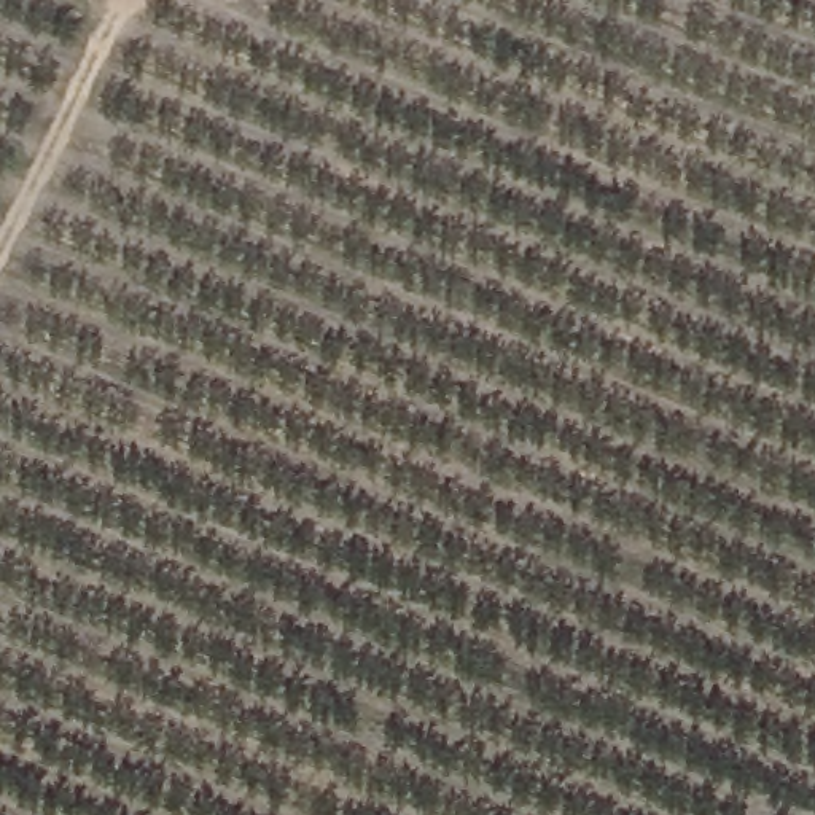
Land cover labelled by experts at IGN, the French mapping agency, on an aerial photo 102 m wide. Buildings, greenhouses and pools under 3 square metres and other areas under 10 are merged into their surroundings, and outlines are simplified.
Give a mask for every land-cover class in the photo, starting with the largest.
<instances>
[{"label":"deciduous trees","instance_id":"1","mask_svg":"<svg viewBox=\"0 0 815 815\"><path fill-rule=\"evenodd\" d=\"M0 16L22 22L32 32L57 35L60 41H86L92 32L70 13L67 3L60 6L51 0H0ZM156 25L172 32H191L201 45H213L220 51H248L255 67H267L271 45L261 41L248 35L242 22L194 13L188 6H178L175 0H150L146 10ZM271 25L318 35L331 51H350L357 60H369L376 67L392 64L398 57L401 41H382L366 32L363 22L328 16L312 0H271ZM376 16H382L385 6H395L398 22L404 25L408 16H420L427 35L436 32V10L417 0H366ZM630 0H490L487 6L497 10L503 19L541 22L551 35H560L576 48L599 51L608 60L634 64L656 83L681 86L688 76H694L697 96L719 83V73L726 67L713 64L700 51L669 48L659 35L637 38L627 25L618 22V13ZM742 22L729 16L716 19L713 6L700 0H697L688 6L684 35L704 38L707 32H716L719 48L732 45ZM777 3H790L793 29L799 22H815V0H761V16L767 19H774ZM446 38H468L474 54L490 57L493 64H519V76L513 83H490L478 70L452 64L433 51L427 83L449 99H462L481 108L503 105L506 121L513 127H525L519 140L506 143L478 121H452L446 111H433L423 99L408 102L404 96H392V89L376 86L366 76H347L344 70L293 57L290 51L280 54L277 70L290 73L293 80H302L306 89H312L315 96L350 102L353 108L376 115L392 127L433 137L436 143L455 150H481L484 162L506 166L513 175L528 178L535 185L557 188V197L551 201H535L519 191L500 188L493 181H484L478 172L465 175L452 159L430 156L427 150L404 153L398 143H369L353 121H334L322 118L318 111H306L290 96L264 99L258 86L245 83L242 73L229 76L226 67L201 64L188 70V64L178 60L169 48H153L143 38H124L111 48L96 86L102 96L105 118L140 124L150 115H159L162 137L181 140L197 150H210L213 156H223L245 169H258L277 181H293L302 191L350 210V223L331 226L315 213L287 204L280 194L271 197L248 185L236 188L232 178H213L201 166L172 159L169 153H159L146 143H131L127 137L111 140V166L137 175L134 191H121L118 185L89 169H70L64 175V178L67 194L89 201L96 210H102L127 229H150L156 236H169L178 248H191L201 255L220 245L223 264L242 267L252 277H267L277 287L296 290L309 299H325V306L344 312L353 322L363 315H376V325H392L395 337L423 341L436 353H452L484 369L487 376H503L513 385L551 392L554 401L579 408L595 430L611 423L621 433L653 436L659 449L684 455L694 452V446H707L710 465L739 468L748 478H761V487L742 497L739 490H729L726 484H716L710 478H697L684 468H669L665 462L640 458L627 446H611L595 430L583 433L573 423H557V414L519 401H503L497 392L481 395L471 382L452 379V372L443 366L439 372H430L427 363L404 357L401 347L372 341L369 334H347L328 328L322 325V318L296 315L290 306L274 302L264 293L252 299L242 293V287L213 280L207 274L201 277L185 264L175 267L162 252L115 245L108 236L92 232L89 220H64V210L51 207L41 210L48 242H60V232H70L73 248L80 255L102 264L115 255L124 261V267L111 277L115 287L105 290L99 280L86 277L83 271H73L70 264H45L41 255L25 252L22 267L29 280L48 283L51 293L76 290L89 309H105L111 322L131 331L162 337L169 344L204 341V357L232 366L242 376H267V369L280 372L283 392L290 385H302L306 395L318 404H328L341 414H360L363 423L388 430L395 439L436 446V452H446L449 458H462L471 468H481V487H465L455 478L436 474L433 468L382 455L372 443L350 439L331 423H309L306 411L280 408L271 398H255V392L248 388L236 392L229 388V382L216 376L178 369V360L172 353L159 357L150 347L127 353L124 376L137 379L143 392L162 395L159 439L169 446L188 443L191 455L223 468L226 474L220 484H213L204 474L185 471L181 465L162 462L146 449H137L134 443H105L102 427H92V436L83 433L80 423L60 430L54 423H45L35 401L22 398L3 404L0 398V430H13L19 436L32 433L35 446L64 455L86 449L89 465H99L102 455H111L115 478L156 490L169 500L166 513H150L124 493H111L108 487H86L76 478H64L57 465L48 468L22 455H0V481H6L10 471H19V487L41 500L64 503L70 513L102 519L105 525L121 528L134 538H146L150 544H172L175 551L201 557L210 570L248 579L239 595L223 599L220 586L191 579V567H181L175 560L146 563L143 554L131 551L127 544H105L92 532L73 528L51 516H35L32 509H22L13 500H0V532L6 538H19L22 544H38L51 551L54 560H70L89 573H108L137 589H150L166 602H178L197 614L191 627H178L172 614L153 618L150 608L105 595V589L76 586L70 579H45L38 576L32 557L0 551V583L13 592H25V614H32L35 605H51L64 614L83 618L89 624H105L115 634H127L124 646L105 656L80 643L67 627H54L45 614L25 621L13 611L10 637H19L22 643L54 653L57 659H70L73 665H86L115 684L137 688L156 704L181 707L226 729L258 735L261 745L296 755L315 767H331L350 786L366 790L363 802L337 799L334 793H325L302 780H290L287 767L248 761L242 745L207 742L204 729H185L153 713H134V704L127 697L96 700L80 678H70V684H51L38 662H10L0 649V815H258L252 809H242L239 802L216 796L210 786L197 790L188 777L166 774L159 764L115 758L105 742H92L80 732L60 729L57 723H38L35 713L45 707L64 710L67 716L92 726H108L118 735L140 745H156V735H166V755L188 764L216 761V777L223 783L242 780L248 790L264 793L267 812L261 815H649L640 809H621L608 796L573 786V770H589L595 777L614 780L621 790L643 793L646 799H656L678 815H815V678L796 675L793 665L783 659H751L745 646H726L691 624L675 627V614H646L643 605L624 602L621 592L624 583H637L662 599L697 608L700 614L723 618L726 624H745L751 637L770 640L774 646H783L790 653H815V360H780L770 353L767 344H748L742 334H723L713 322H694L688 315L672 312L669 302H659L649 309V331H675L678 347L697 350L700 357L729 363L751 376L748 385H716L710 372L697 366H678L675 360L643 350L637 341L608 337L589 322V312L595 309L611 318L630 322L640 312L643 290L605 287L592 277H583L576 264L541 258L532 248L509 245L500 236L481 232L478 223H462V216H436L430 210L414 207L408 197H388L382 188H366L344 175H334L328 166L312 162L302 153L290 156L283 153V146H290L293 137L318 143L322 137H334L347 162H363L372 169L376 159H385V175L411 178L427 194L462 197L468 207L487 201L490 216H500V223H513L525 232L563 236L567 245L589 255L592 261L614 264V271L627 274H643L656 283H669L672 290L697 283L700 306H719L729 315H748L755 328H767L777 331L783 341L815 347V255L802 248L770 245L755 229L758 223H767L774 229L812 232L815 239V213H809L805 197L793 201L780 188L770 191L758 181L735 178L713 162H700L694 153L688 156V191H694L697 197H710L704 213H688L678 201H669L665 207L653 204L637 194V185L630 181L605 185L589 169L576 166L570 156H557L538 146V134L548 115L557 118L563 143L583 146L608 166H630L662 181H675V153L653 137H643L640 143L621 140L618 127L595 124L576 105H551L538 99L528 86L532 76H541L557 86H563V80H576L579 86H602L605 99L627 102L630 118L656 121L665 131H678L684 140L694 131H707V143L713 150H755V166L783 172L786 178L809 175V185L815 188V166L802 159L799 146L783 153L777 150V137H758L748 131L732 134L719 127L713 118L700 121L697 111L684 102L649 99L643 89L634 92L618 73H599L595 67L579 60L570 64L557 54H548L541 41H522L490 25L462 22L455 6H449L446 16ZM143 73L166 80L169 86H178L185 92L207 96L213 105H223L239 118L280 131L283 137L280 143L248 140L197 108L188 111L169 99H143L137 92ZM153 169H162L166 188H188V194L201 204H210L216 210L239 207L242 220L264 223L274 232L280 229V223H290L293 239L318 236L322 248L344 242L347 264H363L376 277L401 280L411 293L439 296L455 309L484 312L519 334L513 344H500L471 325L452 318H423L414 312V306H404L388 293L376 296L366 293L363 283H341L334 274L328 277L309 261L290 264L287 252H274V245L252 242L239 229L223 232L210 216L204 223H194L181 207L175 210L162 201L143 197L146 175ZM723 207L748 216V229L742 239H729L716 223V213ZM621 220L646 223L662 236L691 242L697 252L739 258L742 274L732 277L716 267L669 258L662 248H643L640 242L618 236ZM376 223H385L398 232H411L414 239L439 236L446 252H455L458 242H468V252H490L497 271H509L532 287L548 290L557 283H570V299L563 302V309L554 312L548 306H532L522 296L506 293L500 287L478 283L465 271L436 264L433 258H423L417 252L382 248L369 239ZM264 322L277 325V337L296 344L318 337V369H309L302 360H290L271 347H252ZM341 350L353 353L357 369L376 366L385 385H395V372L401 369L408 376L411 392L427 395L439 404L443 420L411 414L401 401H379L360 392V382L334 379ZM223 411L232 423L287 430L290 443H309L318 455L366 468L376 478H385L392 487H401L420 500H433L455 516H468L471 522H493L503 535H516V548H484L465 541L462 535L446 532L430 516L414 519L411 513L395 509L360 487H344L337 478H322L315 468L296 465L280 452L264 449L258 439L242 443L213 433V423ZM516 439L557 443L570 455H583L595 468L614 471L618 478L637 484L630 493L605 490L595 481L563 474L560 465H532L525 455L509 452ZM248 478H261V484L280 497L312 503L331 516H344L350 525H357V513H366L369 528L388 532L401 544H414V557L408 563L392 560L379 548H369L363 538L315 532L309 519H293L283 509H261L258 497L245 490ZM497 484L525 487L557 503H570L573 509H579L583 500H592L595 519L624 525L627 535L649 538L653 544H662L669 551L691 548L694 560L713 563L729 576H745L780 599L799 602L812 611V621L796 624L783 614H774L767 605L751 602L748 595L723 592L719 583L697 579L688 570L669 567L665 560L646 563L640 557H627L608 538H592L589 528L567 525L563 519L538 513L535 506L516 513L509 500L490 497ZM458 570H471L484 579H500L506 586H522V592L516 602H497V595L478 592L474 602L465 595L468 586L455 583ZM261 589H274V595L299 602V608L306 611H331L337 621L363 630L366 643L353 649L350 640L331 637L322 624L299 627L290 614L271 611L264 602H255ZM458 618H471L478 627L509 621V634L516 643H522L528 653H548L567 665L595 672L599 688L576 691L548 669H519L509 659H503L493 643L455 634L452 627ZM137 640H150L162 653H172L175 643H185L188 659L207 656L210 669L229 675L232 681L229 688L204 681L181 684L178 669L159 672V659H140ZM484 681L522 688L532 700L528 713L513 716L509 704L484 697ZM643 694L681 707L691 716H704L713 726H732V732L729 739L707 742L700 729H681V723H665L649 710H640L637 704ZM758 54H767V70H777L783 76L805 80L809 73H815V48L796 51L790 48V41L767 38L758 25L745 32L742 48V57L751 64L758 60ZM0 70L48 89L57 80V60L51 57L48 45H41L38 64L25 60V41L0 38ZM755 118H761L764 105H774L777 124H786L815 143V105L793 99L786 86L777 92L770 80L742 73H729L723 102ZM0 111L10 115L6 127L25 131L35 108L22 96H13V102H0ZM32 159L13 143L0 140V172L25 175ZM51 331V347H60L64 337H76V357H83L86 363L99 360L102 334L96 325H83L76 315H60L45 306H29V337ZM0 366H6V376L13 382H29L32 388H41L54 376V363L32 360L22 350L13 353L0 344ZM73 395H83L86 411L108 408V420L115 427L137 423V404L131 388L64 369L57 404H70Z\"/></svg>","mask_w":815,"mask_h":815},{"label":"plowed land","instance_id":"2","mask_svg":"<svg viewBox=\"0 0 815 815\"><path fill-rule=\"evenodd\" d=\"M60 6L67 3L70 13L92 32L105 13V0H51ZM328 16L363 22L366 32L382 41H401L398 57L392 64L376 67L369 60H357L350 51H331L318 35L271 25L261 41L271 45L267 67H255L248 51H220L213 45H201L191 32H172L156 25L146 10L131 19L124 38H143L153 48H169L178 60L188 64V70L201 64L226 67L229 76L242 73L245 83L258 86L264 99L290 96L306 111H318L322 118L334 121H353L369 143H398L404 153L427 150L430 156L452 159L465 175L478 172L484 181H493L500 188L519 191L535 201H551L557 197V188L535 185L528 178L513 175L506 166L484 162L481 150H455L436 143L433 137L392 127L376 115L353 108L350 102L315 96L312 89H306L302 80H293L290 73L277 70L280 54L290 51L293 57L344 70L347 76H366L376 86L392 89V96H404L408 102L423 99L433 111H446L452 121H478L506 143L519 140L525 127H513L506 121L503 105L481 108L462 99H449L427 83L433 51L452 64L478 70L490 83H513L519 76V64H493L490 57L474 54L468 38H446V16L449 6H455L462 22L490 25L522 41H541L548 54H557L570 64L579 60L595 67L599 73H618L634 92L643 89L649 99L684 102L697 111L700 121L713 118L719 127L732 134L748 131L758 137H777V150L783 153L799 146L802 159L815 166V143L786 124H777L774 105H764L761 118H755L723 102L729 73H742L770 80L777 92L786 86L793 99L815 105V73H809L805 80L783 76L777 70H767V54H758V60L751 64L742 57V48L745 32L758 25L767 38L790 41V48L796 51L815 48V22H799L793 29L790 3H777L774 19H767L761 16V0H700L713 6L716 19L729 16L742 22L732 45L719 48L716 32H707L704 38L684 35L688 6L697 0H630L618 13V22L627 25L637 38L659 35L669 48L700 51L713 64L726 67L719 73V83L697 96L694 76H688L681 86L656 83L634 64L608 60L599 51L576 48L560 35H551L541 22L503 19L497 10L487 6L490 0H417L436 10V32L427 35L420 16H408L404 25L398 22L395 6H385L382 16H376L366 0H312ZM0 38L25 41V60L38 64L41 45H48L51 57L57 60V80L48 89L0 70V102H13V96H22L35 108L25 131L6 127L10 115L0 111V140L13 143L32 159L54 121V111L67 92L70 76L80 67L86 41H60L57 35L32 32L22 22L0 16ZM137 92L143 99H169L188 111L197 108L248 140L280 143L283 137L280 131L239 118L223 105H213L207 96L185 92L178 86H169L166 80L143 73ZM538 99L551 105H576L595 124L618 127L621 140L640 143L643 137H653L675 153V181H662L630 166H608L583 146L563 143L557 118L548 115L538 134V146L557 156H570L576 166L589 169L605 185L630 181L637 185V194L653 204L665 207L669 201H678L688 213H704L710 197H697L694 191H688V156L694 153L700 162H713L735 178L758 181L770 191L780 188L793 201L805 197L809 213H815V188L809 185V175L786 178L783 172L755 166V150H713L707 143V131H694L684 140L678 131H665L656 121L630 118L627 102L605 99L602 86H579L576 80H563V86H557L541 76H532L528 86ZM127 137L131 143H146L159 153H169L172 159L201 166L213 178H232L236 188L248 185L271 197L280 194L287 204L315 213L331 226L350 223V210L302 191L293 181H277L258 169H245L223 156H213L210 150H197L181 140L162 137L159 115H150L140 124L105 118L102 96L96 86L64 150V175L70 169H89L118 185L121 191H134L137 175L111 166V140ZM283 153L290 156L302 153L312 162L328 166L334 175H344L366 188H382L388 197H408L414 207L430 210L436 216H462V223H478L481 232L500 236L509 245L532 248L541 258L576 264L583 277H592L605 287L643 290L640 312L630 322L611 318L595 309L589 312V322L608 337L637 341L643 350L675 360L678 366H697L710 372L716 385H748L751 376L729 363L700 357L697 350L678 347L675 331H649V309L659 302H669L672 312L688 315L694 322H713L723 334H742L748 344H767L770 353L780 360H815V347L783 341L777 331L767 328H755L748 315H729L719 306H700L697 283L672 290L669 283H656L643 274H627L614 271V264L592 261L589 255L567 245L563 236L525 232L513 223H500V216H490L487 201L468 207L462 197L427 194L411 178L385 175V159H376L372 169L363 162H347L334 137H322L318 143L293 137L290 146H283ZM143 197L162 201L175 210L181 207L194 223H204L210 216L223 232L239 229L252 242L274 245V252H287L290 264L309 261L328 277L334 274L341 283H363L366 293L376 296L388 293L404 306H414V312L423 318H452L471 325L500 344H513L519 334L484 312L455 309L439 296L411 293L401 280L376 277L363 264H347L344 242L322 248L318 236L293 239L290 223H280V229L274 232L264 223L242 220L239 207L216 210L210 204H201L188 194V188H166L162 169H153L146 175ZM51 207L64 210V220H89L92 232L108 236L115 245L162 252L175 267L185 264L201 277L207 274L213 280L242 287V293L252 299L264 293L274 302L290 306L296 315L322 318V325L328 328L347 334H369L372 341L401 347L404 357L427 363L430 372H439L443 366L452 372V379L471 382L481 395L497 392L503 401H519L557 414V423H573L583 433L595 430L579 408L554 401L551 392L513 385L503 376H487L484 369L452 353H436L423 341L395 337L392 325H376V315H363L353 322L344 312L325 306V299H309L296 290L277 287L267 277H252L242 267L223 264L220 245L201 255L191 248H178L169 236H156L150 229H127L102 210H96L89 201L67 194L64 178L54 175L45 185L41 201L29 216L0 274V344L13 353L22 350L32 360L54 363V376L41 388H32L29 382H13L6 376V366H0V398L3 404L22 398L35 401L45 423H54L60 430L80 423L83 433L92 436V427H102L105 443H134L137 449H146L162 462L181 465L185 471L204 474L213 484H220L226 474L223 468L191 455L188 443L169 446L159 439L162 395L143 392L137 379L124 376L127 353L150 347L159 357L172 353L178 360V369L216 376L229 382V388L236 392L248 388L255 392V398H271L280 408L306 411L309 423H331L350 439L372 443L382 455L433 468L436 474L455 478L465 487H481V468H471L462 458H449L446 452H436V446L395 439L388 430L363 423L360 414H341L328 404H318L306 395L302 385H290L283 392L280 372L267 369V376H242L232 366L204 357V341L169 344L162 337L131 331L111 322L105 309H89L76 290L51 293L48 283L29 280L22 267L25 252L41 255L45 264H70L73 271H83L86 277L99 280L105 290L115 287L111 277L124 267V261L115 255L102 264L80 255L73 248L70 232H60V242H48L41 210ZM29 306H45L60 315H76L83 325H96L102 334L99 360L86 363L83 357H76V337H64L60 347H51V331L29 337ZM64 369L131 388L137 404V423L115 427L108 420V408L86 411L83 395H73L70 404H57ZM716 223L729 239H742L748 229V216L723 207L716 213ZM618 236L640 242L643 248H662L669 258L716 267L732 277L742 274L739 258L697 252L691 242L662 236L646 223L621 220ZM369 239L382 248L417 252L423 258H433L436 264L465 271L478 283L500 287L506 293L522 296L532 306H548L554 312L563 309V302L570 299V283H557L548 290L532 287L509 271H497L490 252H468V242H458L455 252H446L439 236L414 239L411 232H398L385 223H376ZM770 245L802 248L815 255V239L812 232L774 229L767 223H758L755 229ZM252 347H271L290 360H302L309 369H318V337L296 344L277 337V325L264 322ZM334 379L360 382V392L379 401H401L411 414L443 420L439 404L427 395L411 392L408 376L401 369L395 372V385H385L376 366L357 369L353 353L341 350ZM213 433L242 443L258 439L264 449L280 452L296 465L315 468L322 478H337L344 487H360L395 509L411 513L414 519L430 516L446 532L462 535L465 541L484 548H516V535H503L493 522H471L468 516H455L433 500H420L401 487H392L385 478H376L366 468L318 455L309 443H290L287 430L232 423L223 411L213 423ZM611 446H627L640 458L665 462L669 468H684L697 478H710L716 484H726L729 490H739L742 497L761 487V478H748L739 468L710 465L707 446H694V452L684 455L659 449L653 436L621 433L611 423L595 430ZM0 455H22L48 468L57 465L64 478H76L86 487H108L111 493H124L150 513H166L169 500L156 490L115 478L111 455H102L99 465H89L86 449L64 455L35 446L32 433L19 436L13 430H0ZM509 452L525 455L532 465H560L563 474L595 481L605 490L630 493L637 484L618 478L614 471L595 468L583 455H570L557 443L516 439ZM0 500H13L22 509H32L35 516H51L73 528L92 532L105 544H127L131 551L143 554L146 563L175 560L181 567H191V579L220 586L223 599L239 595L248 579L210 570L201 557L175 551L172 544H150L146 538H134L121 528L105 525L102 519L70 513L64 503L41 500L19 487V471H10L6 481H0ZM245 490L258 497L261 509H283L293 519H309L315 532L363 538L369 548H379L392 560L408 563L414 557V544H401L388 532L369 528L366 513H357V525H350L344 516H331L312 503L280 497L261 484V478H248ZM490 497L509 500L516 513L535 506L538 513L563 519L567 525L589 528L592 538H608L627 557H640L646 563L665 560L669 567L688 570L697 579L719 583L723 592L748 595L751 602L767 605L774 614H783L796 624L812 621V611L799 602L780 599L745 576H729L713 563L694 560L691 548L669 551L662 544H653L649 538L627 535L624 525L595 519L592 500H583L579 509H573L570 503H557L525 487L497 484ZM0 551L32 557L38 576L45 579H70L76 586L105 589V595L150 608L153 618L172 614L178 627H191L197 614L178 602H166L150 589H137L108 573H89L70 560H54L51 551L38 544H22L19 538H6L0 532ZM455 583L468 586L465 595L474 602L478 592L497 595V602H516L522 592V586H506L500 579H484L471 570H458ZM13 611L25 621L45 614L54 627H67L80 643L105 656L124 646L127 634H115L105 624H89L83 618L64 614L51 605H35L32 614H25V592H13L0 583V649L10 662H38L51 684H70V678H80L96 700L127 697L134 704V713H153L185 729H204L207 742L242 745L248 761L287 767L290 780H302L325 793H334L337 799L363 802L366 790L350 786L331 767H315L296 755L261 745L258 735L226 729L181 707L156 704L137 688L115 684L86 665H73L70 659H57L54 653L22 643L19 637H10ZM624 602L643 605L646 614H675V627L691 624L726 646H745L751 659H783L793 665L796 675L815 678V653H790L783 646H774L770 640L751 637L745 624H726L723 618L700 614L697 608L662 599L637 583H624L621 592ZM255 602H264L271 611L290 614L299 627L322 624L331 637L350 640L353 649L366 643L363 630L337 621L331 611H306L299 608V602L274 595V589H261ZM455 634L493 643L503 659H509L519 669H548L576 691L599 688L595 672L567 665L548 653H528L522 643H516L509 634V621L478 627L471 618H458L452 627ZM140 659H159V672L178 669L181 684L204 681L229 688L232 681L229 675L210 669L207 656L188 659L185 643H175L172 653H162L150 640H137ZM484 697L509 704L513 716L528 713L532 700L522 688L484 681ZM640 710H649L665 723H681V729H700L707 742L729 739L732 732V726H713L704 716H691L681 707L643 694L637 704ZM38 723H57L60 729L80 732L92 742H105L115 758L159 764L166 774L188 777L197 790L210 786L216 796L239 802L242 809H252L258 815H261L267 812L264 793L248 790L242 780L223 783L216 777V761L188 764L166 755V735H156V745H140L118 735L108 726H92L67 716L64 710L45 707L35 713ZM573 786L608 796L621 809H640L649 815H678L656 799H646L643 793L621 790L614 780L595 777L589 770H573Z\"/></svg>","mask_w":815,"mask_h":815},{"label":"pervious surface","instance_id":"3","mask_svg":"<svg viewBox=\"0 0 815 815\"><path fill-rule=\"evenodd\" d=\"M150 0H105V13L92 32L86 41L80 67L70 76L67 92L54 111V121L32 159L25 175L0 172V274L29 216L41 201L45 185L54 175L64 178V150L96 86L111 48L124 38L131 19L146 10ZM178 6H188L194 13L242 22L248 35L261 41L271 25V0H175Z\"/></svg>","mask_w":815,"mask_h":815}]
</instances>
